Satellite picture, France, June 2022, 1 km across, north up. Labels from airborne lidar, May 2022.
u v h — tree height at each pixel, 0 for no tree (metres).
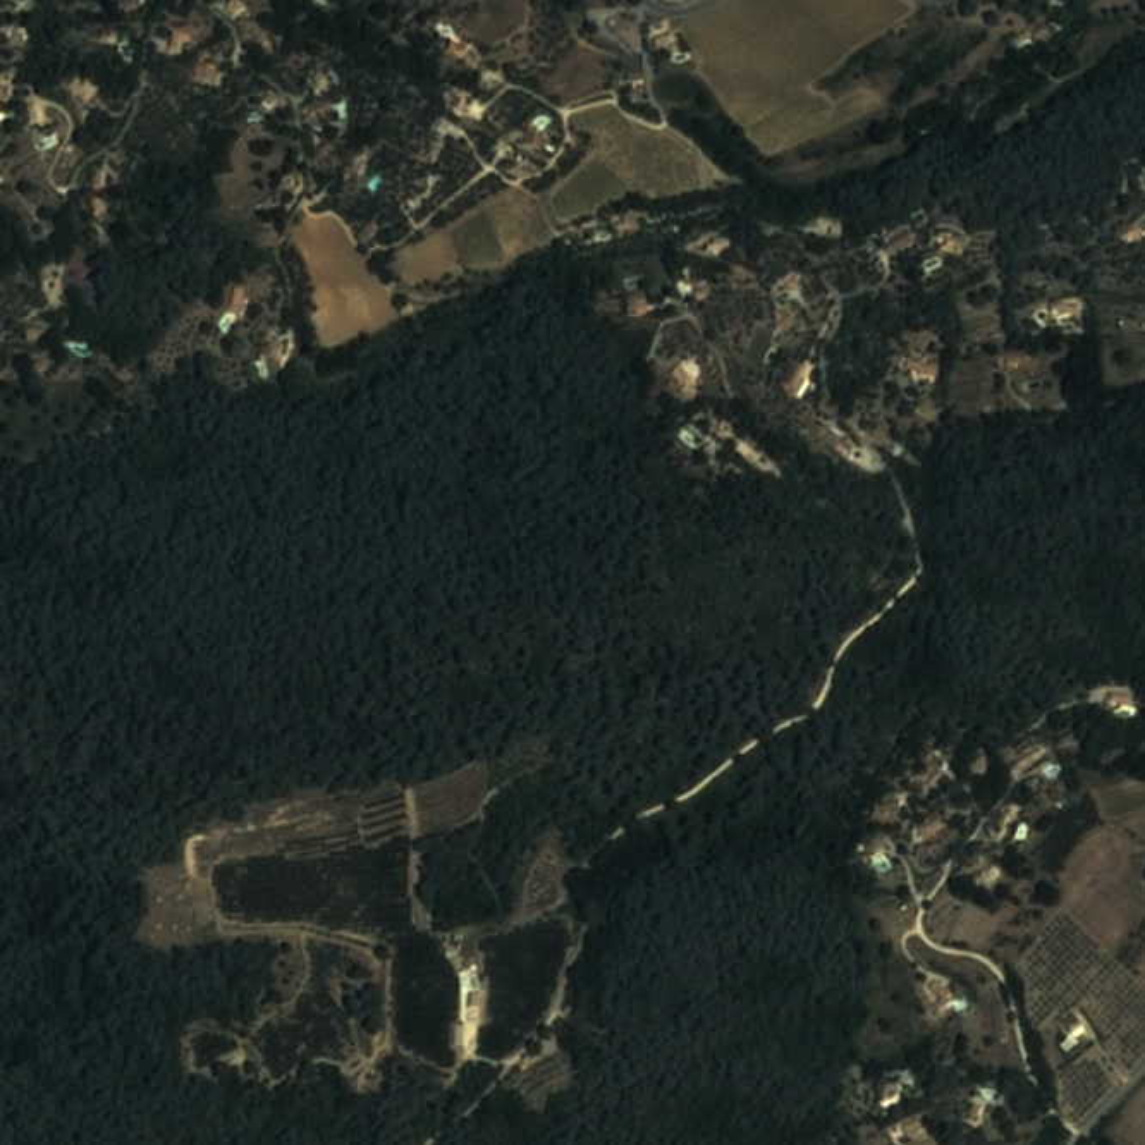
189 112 11
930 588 11
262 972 16
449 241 0
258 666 13
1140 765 18
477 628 16
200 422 19
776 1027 14
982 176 22
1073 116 19
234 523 20
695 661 11
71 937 23
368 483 20
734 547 17
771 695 24
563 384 22
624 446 19
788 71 0
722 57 0
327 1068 7
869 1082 9
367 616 21
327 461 22
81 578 20
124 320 14
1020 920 8
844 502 21
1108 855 0
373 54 13
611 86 7
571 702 23
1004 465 22
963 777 17
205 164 12
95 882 22
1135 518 17
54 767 18
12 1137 22
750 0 0
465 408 23
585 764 24
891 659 13
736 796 8
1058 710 20
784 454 14
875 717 18
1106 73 13
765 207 11
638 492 22
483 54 10
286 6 14
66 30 16
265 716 17
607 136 0
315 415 18
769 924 24
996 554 18
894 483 6
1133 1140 0
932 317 22
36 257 12
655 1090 14
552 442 28
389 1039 0
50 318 10
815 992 25
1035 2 20
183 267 25
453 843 19
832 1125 19
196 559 23
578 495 23
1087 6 13
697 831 26
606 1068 20
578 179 0
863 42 0
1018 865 12
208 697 17
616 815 16
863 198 25
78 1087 23
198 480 21
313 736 14
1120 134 20
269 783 20
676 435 19
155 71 8
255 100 10
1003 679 24
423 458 21
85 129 8
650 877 23
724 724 21
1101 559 12
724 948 22
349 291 0
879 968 23
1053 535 19
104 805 14
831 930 25
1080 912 0
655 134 0
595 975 14
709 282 6
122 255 8
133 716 9
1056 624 18
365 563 18
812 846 24
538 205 0
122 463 21
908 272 7
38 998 22
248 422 22
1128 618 23
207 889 0
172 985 20
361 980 19
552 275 17
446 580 19
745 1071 21
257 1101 10
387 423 24
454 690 7
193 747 14
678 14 0
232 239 24
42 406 15
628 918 18
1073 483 6
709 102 8
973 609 23
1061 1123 8
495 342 23
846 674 14
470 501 7
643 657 26
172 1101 14
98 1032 23
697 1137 11
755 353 0
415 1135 21
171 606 26
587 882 19
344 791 21
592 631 20
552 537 21
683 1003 8
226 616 25
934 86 13
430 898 18
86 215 11
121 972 24
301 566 20
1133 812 0
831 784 21
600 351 20
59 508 16
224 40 10
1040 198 16
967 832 8
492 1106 21
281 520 23
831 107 0
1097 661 17
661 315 7
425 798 0
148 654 18
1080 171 20
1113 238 6
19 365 15
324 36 11
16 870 25
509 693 13
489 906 9
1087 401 14
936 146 25
